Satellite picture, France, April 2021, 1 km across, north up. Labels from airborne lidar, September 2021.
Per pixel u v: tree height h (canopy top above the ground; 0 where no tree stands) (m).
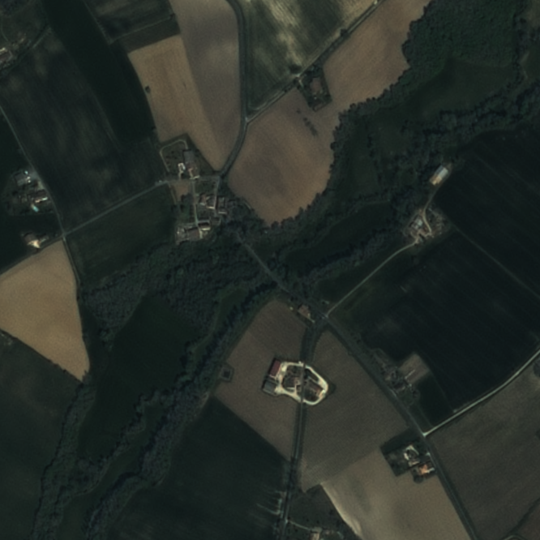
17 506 0
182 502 0
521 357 0
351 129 14
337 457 0
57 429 0
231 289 19
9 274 0
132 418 0
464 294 0
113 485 0
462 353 0
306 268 0
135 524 0
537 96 17
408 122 10
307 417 0
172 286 17
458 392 0
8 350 0
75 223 0
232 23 0
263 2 0
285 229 16
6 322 0
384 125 0
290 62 0
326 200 20
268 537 0
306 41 0
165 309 0
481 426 0
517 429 0
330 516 8
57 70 0
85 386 14
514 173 0
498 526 0
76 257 0
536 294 0
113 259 0
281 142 0
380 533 0
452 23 16
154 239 0
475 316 0
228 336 19
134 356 0
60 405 0
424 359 0
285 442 0
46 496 16
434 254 0
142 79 0
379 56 0
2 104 0
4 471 0
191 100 0
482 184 0
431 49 15
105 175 0
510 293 0
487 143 0
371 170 0
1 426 0
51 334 0
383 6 0
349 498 0
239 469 0
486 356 0
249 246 16
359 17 0
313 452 0
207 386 12
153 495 0
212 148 0
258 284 16
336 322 0
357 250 19
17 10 16
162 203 0
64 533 0
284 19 0
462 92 0
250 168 0
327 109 0
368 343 0
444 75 0
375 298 0
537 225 0
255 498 0
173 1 0
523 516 0
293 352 0
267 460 0
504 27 13
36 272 0
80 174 0
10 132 0
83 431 0
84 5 0
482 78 0
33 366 0
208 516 0
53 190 0
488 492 0
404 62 0
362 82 0
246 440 0
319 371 0
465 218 0
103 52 0
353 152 0
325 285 0
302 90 8
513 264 0
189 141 0
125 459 0
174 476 0
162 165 0
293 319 0
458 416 0
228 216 18
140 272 15
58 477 17
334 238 0
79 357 0
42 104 0
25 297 0
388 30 0
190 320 11
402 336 0
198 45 0
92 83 0
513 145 0
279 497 0
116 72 0
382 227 0
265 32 0
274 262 11
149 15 0
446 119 23
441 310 0
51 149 0
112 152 0
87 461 15
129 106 0
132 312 21
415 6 0
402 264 0
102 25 0
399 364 0
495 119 19
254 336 0
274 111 0
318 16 0
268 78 0
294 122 0
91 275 0
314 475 0
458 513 0
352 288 0
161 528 0
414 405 0
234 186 0
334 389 0
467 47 14
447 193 0
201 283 12
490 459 0
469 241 0
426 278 0
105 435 0
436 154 8
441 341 0
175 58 0
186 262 14
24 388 0
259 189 0
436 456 0
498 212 0
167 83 0
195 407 15
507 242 0
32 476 0
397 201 18
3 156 0
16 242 0
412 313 0
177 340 0
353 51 0
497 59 12
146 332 0
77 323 0
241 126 0
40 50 0
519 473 0
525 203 0
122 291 20
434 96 0
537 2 0
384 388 0
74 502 0
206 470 0
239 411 0
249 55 0
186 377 13
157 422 0
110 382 0
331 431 0
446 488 0
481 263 0
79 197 0
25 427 0
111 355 0
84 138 0
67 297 0
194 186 0
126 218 0
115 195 0
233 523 0
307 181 0
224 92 0
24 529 0
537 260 0
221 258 13
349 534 15
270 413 0
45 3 0
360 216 0
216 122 0
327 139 0
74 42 0
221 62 0
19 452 0
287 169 0
